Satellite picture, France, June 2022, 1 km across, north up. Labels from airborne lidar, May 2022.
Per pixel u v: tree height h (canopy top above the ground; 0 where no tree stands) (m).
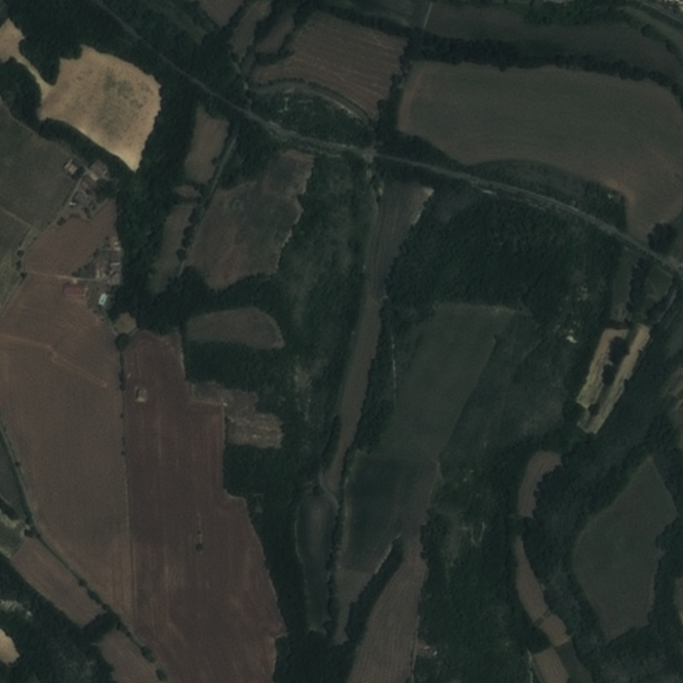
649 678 9
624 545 0
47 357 0
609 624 0
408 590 0
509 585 15
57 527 0
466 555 10
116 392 0
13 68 18
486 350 0
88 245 0
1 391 0
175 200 15
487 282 10
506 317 0
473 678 11
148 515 0
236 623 0
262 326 0
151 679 0
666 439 16
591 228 7
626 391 6
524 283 9
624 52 0
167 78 20
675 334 0
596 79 0
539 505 15
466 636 7
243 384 9
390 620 0
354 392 0
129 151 0
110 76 0
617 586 0
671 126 0
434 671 6
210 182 8
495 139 0
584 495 9
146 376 0
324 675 16
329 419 14
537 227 12
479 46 28
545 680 0
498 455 11
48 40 12
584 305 7
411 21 0
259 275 10
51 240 0
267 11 0
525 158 0
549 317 8
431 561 11
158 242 23
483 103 0
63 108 0
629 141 0
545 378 7
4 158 0
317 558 0
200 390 0
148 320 22
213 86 15
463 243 10
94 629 16
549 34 0
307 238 6
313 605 0
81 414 0
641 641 11
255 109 14
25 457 0
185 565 0
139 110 0
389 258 0
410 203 0
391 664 0
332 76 0
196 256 0
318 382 9
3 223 0
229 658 0
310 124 7
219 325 0
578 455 19
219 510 0
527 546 21
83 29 23
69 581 0
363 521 0
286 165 0
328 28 0
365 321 0
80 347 0
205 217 0
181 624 0
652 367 8
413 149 20
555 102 0
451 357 0
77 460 0
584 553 0
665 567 10
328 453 20
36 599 9
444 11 0
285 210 0
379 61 0
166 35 14
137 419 0
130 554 0
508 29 0
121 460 0
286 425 11
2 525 0
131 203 15
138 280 21
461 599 10
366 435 12
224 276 0
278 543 16
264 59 21
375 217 0
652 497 0
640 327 0
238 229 0
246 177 7
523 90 0
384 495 0
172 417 0
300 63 0
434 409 0
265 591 0
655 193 0
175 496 0
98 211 0
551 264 8
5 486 0
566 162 0
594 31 0
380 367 10
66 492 0
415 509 0
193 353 10
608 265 15
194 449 0
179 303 12
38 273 0
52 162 0
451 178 9
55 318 0
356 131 8
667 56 0
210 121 0
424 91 0
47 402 0
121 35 9
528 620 9
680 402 0
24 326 0
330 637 14
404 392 0
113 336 0
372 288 0
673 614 6
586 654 10
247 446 11
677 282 11
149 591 0
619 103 0
